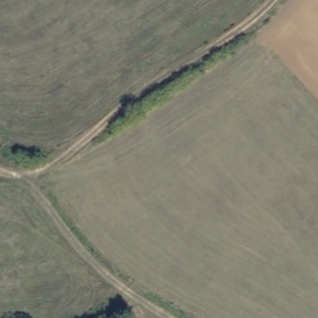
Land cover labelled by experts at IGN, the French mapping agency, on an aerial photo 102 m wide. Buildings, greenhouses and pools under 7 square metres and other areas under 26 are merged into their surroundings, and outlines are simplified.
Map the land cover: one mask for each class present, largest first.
<instances>
[{"label":"agricultural land","instance_id":"1","mask_svg":"<svg viewBox=\"0 0 318 318\"><path fill-rule=\"evenodd\" d=\"M266 0H0V152L2 149H10L12 154L22 153L30 158H43L46 163H50L58 154L70 148L109 111L116 114L120 108V98L124 94L139 96L150 84L159 83L171 73L179 71L181 67L201 60L202 56L209 52L205 46L207 43L240 24ZM250 46L246 50L238 53L237 57L231 58L224 65L206 73V76L194 83L188 92L176 97L170 106L150 113L147 122L138 129H129L117 139L103 145L93 153H87L81 160L75 161L73 168L58 170L56 176L48 174V180L60 181L70 194V202L78 214L75 224L79 234L92 243L94 250L106 262L111 263L114 268H119L124 277L129 278L145 293L163 299L189 318H318V94L316 96L309 91L270 47L261 46L257 34L250 37ZM91 258L88 261L84 260L62 236L53 225L51 217L43 210L40 201L32 196L30 184L22 178L0 176V318H73L106 308L109 298L119 294L118 289L99 275L96 268L91 265Z\"/></svg>","mask_w":318,"mask_h":318},{"label":"brushwood","instance_id":"2","mask_svg":"<svg viewBox=\"0 0 318 318\"><path fill-rule=\"evenodd\" d=\"M277 14L275 11L268 12L265 19L257 21L245 31L246 37H242L234 47L217 53L205 66L188 73L180 81L171 83L163 91L153 93L142 104L128 107L123 119L114 125L107 123V127L93 138V144L103 145L117 139L129 129H138L147 122L150 113L170 106L176 97L188 92L194 83L206 76V73L224 65L231 58L237 57L238 53L246 50L250 46V37L257 34L275 19ZM47 199L51 201L53 209L58 212L62 221L70 227L72 234L91 252L92 257L118 277L125 286L132 288L138 296L157 304L175 318H189L163 299L145 293L129 278L124 277L119 268H114L111 263L106 262L94 250L92 243L79 234L75 224L60 209L55 195L50 193Z\"/></svg>","mask_w":318,"mask_h":318},{"label":"pervious surface","instance_id":"3","mask_svg":"<svg viewBox=\"0 0 318 318\"><path fill-rule=\"evenodd\" d=\"M288 0H266L240 24L207 43L205 46L209 52L202 56L201 60L181 67L179 71L171 73L159 83L150 84L139 96L124 94L120 98V108L116 114L109 111L70 148L58 154L50 163H46L36 169L17 171L0 166V176L22 178L26 175H39L43 171L48 174L56 176L58 170L73 168L75 161L81 160L87 153H93L103 145L93 144V138L107 127V123L114 125L123 119L128 107L142 104L153 93L163 91L171 83L180 81L188 73L205 66L217 53L234 47L242 37H246L245 31L257 21L265 19L268 12L275 11L277 14Z\"/></svg>","mask_w":318,"mask_h":318},{"label":"plowed land","instance_id":"4","mask_svg":"<svg viewBox=\"0 0 318 318\"><path fill-rule=\"evenodd\" d=\"M261 46L270 47L309 91L316 96L318 94V0H288L277 14L275 19L257 34Z\"/></svg>","mask_w":318,"mask_h":318},{"label":"herbaceous vegetation","instance_id":"5","mask_svg":"<svg viewBox=\"0 0 318 318\"><path fill-rule=\"evenodd\" d=\"M22 178L30 184L32 196L40 201L43 210L51 217L53 225L62 236L84 260L88 261L91 258V265L96 268L99 275L118 289L119 294L132 308V312L129 313L133 318H175L157 304L138 296L132 288L125 286L118 277L92 257L91 252L72 234L70 227L62 221L58 212L53 209L51 201L47 199L50 193L55 195L60 209L75 224L78 214L70 202V194L60 181L48 180V174L43 171L39 175H26Z\"/></svg>","mask_w":318,"mask_h":318},{"label":"deciduous trees","instance_id":"6","mask_svg":"<svg viewBox=\"0 0 318 318\"><path fill-rule=\"evenodd\" d=\"M46 163L43 158H30L22 153L12 154L10 149H2L0 152V166L17 171L36 169ZM132 312V308L119 294L109 298L106 308L73 318H133L129 313Z\"/></svg>","mask_w":318,"mask_h":318}]
</instances>
